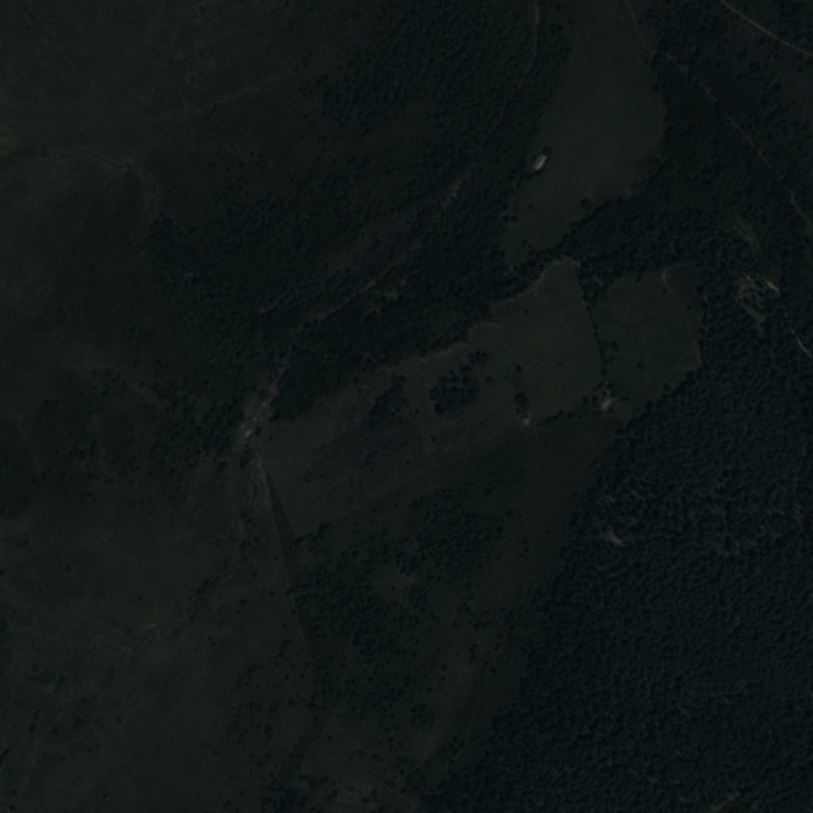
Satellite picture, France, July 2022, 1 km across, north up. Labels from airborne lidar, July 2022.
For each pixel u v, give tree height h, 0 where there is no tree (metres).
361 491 0
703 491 20
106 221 0
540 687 18
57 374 0
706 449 22
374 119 9
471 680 0
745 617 18
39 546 0
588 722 14
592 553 9
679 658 23
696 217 15
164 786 0
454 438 0
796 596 21
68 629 0
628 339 0
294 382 8
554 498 0
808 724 15
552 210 0
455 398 12
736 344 19
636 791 7
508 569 0
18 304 0
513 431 0
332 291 7
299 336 7
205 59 0
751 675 19
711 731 17
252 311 9
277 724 0
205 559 0
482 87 7
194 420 7
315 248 10
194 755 0
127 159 0
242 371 9
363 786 0
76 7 0
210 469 0
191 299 7
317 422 0
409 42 9
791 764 20
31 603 0
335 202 8
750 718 19
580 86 0
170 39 0
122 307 0
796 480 11
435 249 8
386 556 6
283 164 0
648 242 12
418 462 0
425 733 0
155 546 0
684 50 9
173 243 9
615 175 0
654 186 9
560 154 0
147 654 0
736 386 21
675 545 20
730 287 14
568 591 14
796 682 19
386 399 10
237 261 8
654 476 13
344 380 7
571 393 0
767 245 9
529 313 8
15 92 0
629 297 0
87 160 0
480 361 8
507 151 11
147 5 0
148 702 0
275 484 0
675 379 0
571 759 20
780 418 22
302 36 0
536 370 0
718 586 21
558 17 0
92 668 0
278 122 0
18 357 0
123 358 0
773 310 21
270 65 0
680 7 8
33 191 0
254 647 0
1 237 0
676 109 11
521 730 16
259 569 0
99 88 0
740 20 9
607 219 9
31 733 6
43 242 0
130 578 0
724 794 18
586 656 15
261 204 6
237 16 0
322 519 0
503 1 0
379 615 9
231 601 0
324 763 0
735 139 9
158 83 0
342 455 0
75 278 0
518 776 18
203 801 0
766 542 11
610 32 0
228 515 0
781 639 18
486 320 7
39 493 0
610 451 7
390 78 8
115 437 0
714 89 9
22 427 0
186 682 0
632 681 20
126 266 0
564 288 0
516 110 10
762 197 9
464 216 7
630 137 0
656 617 21
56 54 0
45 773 0
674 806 17
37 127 0
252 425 0
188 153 0
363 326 9
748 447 19
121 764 0
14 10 0
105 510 0
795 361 23
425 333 6
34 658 0
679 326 0
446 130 6
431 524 6
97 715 0
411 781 8
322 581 6
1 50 0
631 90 0
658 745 18
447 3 7
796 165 15
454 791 10
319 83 7
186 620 0
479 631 7
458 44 10
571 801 17
